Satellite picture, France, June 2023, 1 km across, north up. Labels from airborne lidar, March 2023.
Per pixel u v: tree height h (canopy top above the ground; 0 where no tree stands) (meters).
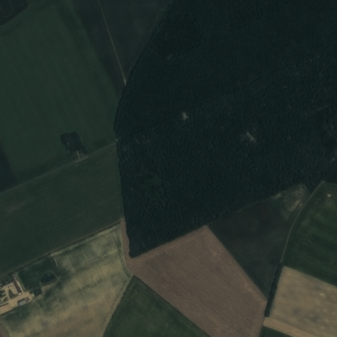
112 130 0
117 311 0
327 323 0
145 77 23
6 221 0
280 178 22
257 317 0
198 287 0
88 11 0
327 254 0
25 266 0
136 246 20
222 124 20
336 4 17
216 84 20
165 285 0
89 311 0
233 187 25
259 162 23
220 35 23
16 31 0
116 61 0
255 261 0
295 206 0
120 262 0
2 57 0
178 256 0
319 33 17
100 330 0
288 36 19
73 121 0
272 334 0
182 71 26
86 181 0
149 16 0
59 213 0
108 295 0
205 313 0
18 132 0
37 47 0
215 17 24
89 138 0
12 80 0
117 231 0
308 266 0
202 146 24
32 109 0
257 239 0
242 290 0
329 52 18
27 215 0
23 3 0
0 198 0
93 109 0
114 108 0
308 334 0
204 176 24
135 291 0
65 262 0
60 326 0
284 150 23
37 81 0
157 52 21
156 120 18
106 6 0
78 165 0
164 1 0
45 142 0
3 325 0
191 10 14
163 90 22
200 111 17
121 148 14
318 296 0
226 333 0
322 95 18
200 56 23
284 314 0
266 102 22
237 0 13
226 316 0
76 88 0
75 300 0
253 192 24
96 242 0
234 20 8
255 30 24
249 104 24
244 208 13
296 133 22
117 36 0
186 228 19
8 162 0
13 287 0
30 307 0
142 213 23
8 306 0
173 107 19
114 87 0
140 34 0
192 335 0
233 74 20
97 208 0
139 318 0
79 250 0
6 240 0
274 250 0
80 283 0
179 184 24
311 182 6
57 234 0
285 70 18
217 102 16
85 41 0
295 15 18
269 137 26
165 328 0
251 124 23
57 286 0
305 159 23
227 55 22
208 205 24
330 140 8
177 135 21
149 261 0
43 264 0
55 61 0
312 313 0
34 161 0
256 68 16
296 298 0
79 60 0
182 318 0
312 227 0
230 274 0
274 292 11
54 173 0
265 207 0
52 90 0
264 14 23
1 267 0
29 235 0
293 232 0
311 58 19
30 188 0
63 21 0
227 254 0
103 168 0
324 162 20
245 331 0
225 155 24
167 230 23
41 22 0
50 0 0
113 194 0
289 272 0
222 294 0
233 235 0
